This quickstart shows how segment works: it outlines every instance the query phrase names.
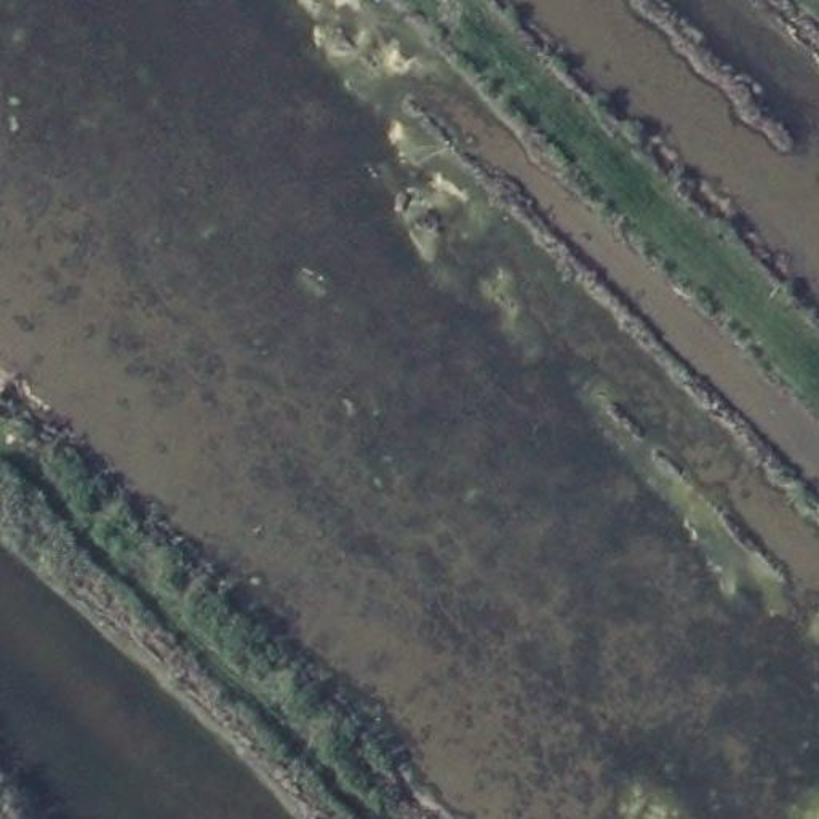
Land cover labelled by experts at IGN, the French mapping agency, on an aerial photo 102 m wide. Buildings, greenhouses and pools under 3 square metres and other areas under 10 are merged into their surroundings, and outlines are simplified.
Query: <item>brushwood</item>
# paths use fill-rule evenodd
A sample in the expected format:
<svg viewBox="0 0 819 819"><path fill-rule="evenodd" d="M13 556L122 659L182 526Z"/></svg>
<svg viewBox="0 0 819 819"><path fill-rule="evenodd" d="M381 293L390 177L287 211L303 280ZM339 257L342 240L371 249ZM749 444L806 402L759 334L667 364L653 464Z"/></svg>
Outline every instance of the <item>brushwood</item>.
<svg viewBox="0 0 819 819"><path fill-rule="evenodd" d="M787 19L793 19L800 32L819 48L819 0L761 0L784 10Z"/></svg>
<svg viewBox="0 0 819 819"><path fill-rule="evenodd" d="M304 646L294 627L298 614L272 589L250 585L240 566L224 563L214 547L205 547L186 528L173 525L166 505L157 496L134 493L122 473L109 470L99 451L67 435L70 419L61 419L48 410L42 413L42 400L35 397L35 390L13 374L6 378L6 371L0 368L0 541L10 544L22 566L38 566L42 576L58 592L64 592L67 605L83 621L90 621L102 640L109 640L118 653L138 662L214 739L227 745L240 739L243 749L237 752L237 758L256 771L256 777L272 790L272 797L291 819L432 819L429 813L435 809L435 800L429 793L413 797L406 781L400 777L400 768L406 768L413 758L413 736L394 723L387 701L378 697L371 688L355 685L346 672L336 672L323 656Z"/></svg>
<svg viewBox="0 0 819 819"><path fill-rule="evenodd" d="M669 256L656 253L653 243L637 253L659 278L672 285L672 291L697 317L720 330L720 336L739 352L739 358L758 378L771 381L771 362L765 349L755 342L745 323L723 314L723 304L713 291L681 275Z"/></svg>
<svg viewBox="0 0 819 819"><path fill-rule="evenodd" d="M777 467L771 451L758 445L749 425L729 416L726 406L717 403L701 387L701 381L694 381L675 362L675 355L662 349L656 336L633 314L627 314L624 304L579 259L573 259L569 250L557 237L550 237L537 218L531 218L528 208L521 208L521 195L512 182L502 182L480 163L464 163L464 173L489 195L489 205L505 211L515 224L521 224L537 243L537 250L544 250L553 259L560 275L566 282L576 282L595 304L601 304L608 317L617 323L617 330L627 333L643 349L643 355L653 365L659 365L701 413L707 413L710 422L717 422L739 441L749 464L755 464L803 518L819 525L819 505L784 467Z"/></svg>
<svg viewBox="0 0 819 819"><path fill-rule="evenodd" d="M662 173L656 166L649 173L649 186L672 202L685 195L678 176Z"/></svg>
<svg viewBox="0 0 819 819"><path fill-rule="evenodd" d="M614 425L621 435L633 432L633 425L624 416L617 416L608 384L595 384L589 403L598 410L598 416L605 416L608 425Z"/></svg>
<svg viewBox="0 0 819 819"><path fill-rule="evenodd" d="M630 0L643 19L665 32L672 48L685 54L701 77L707 77L729 96L739 118L768 134L777 150L790 144L787 131L768 122L752 106L745 86L726 67L713 64L701 51L701 32L694 26L675 19L653 0Z"/></svg>
<svg viewBox="0 0 819 819"><path fill-rule="evenodd" d="M454 42L454 26L438 16L438 10L406 10L406 19L422 35L422 42L445 58L445 64L493 109L493 115L502 125L509 125L518 134L528 157L547 166L550 176L566 192L573 192L576 202L582 202L598 224L605 224L614 237L627 240L630 221L617 211L614 198L605 195L598 182L582 170L576 150L560 134L544 128L541 115L518 96L499 102L496 93L502 93L502 77L496 77L489 86L480 83L480 70L486 70L489 64L477 51Z"/></svg>

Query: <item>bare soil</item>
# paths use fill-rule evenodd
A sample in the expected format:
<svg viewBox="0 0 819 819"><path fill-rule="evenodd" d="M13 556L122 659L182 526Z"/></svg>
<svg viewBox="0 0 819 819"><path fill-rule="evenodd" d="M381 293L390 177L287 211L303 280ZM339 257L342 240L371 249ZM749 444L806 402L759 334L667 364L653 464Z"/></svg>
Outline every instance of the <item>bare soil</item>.
<svg viewBox="0 0 819 819"><path fill-rule="evenodd" d="M314 45L330 61L355 61L358 54L365 54L365 45L371 38L368 29L358 29L355 42L346 45L336 32L314 29Z"/></svg>

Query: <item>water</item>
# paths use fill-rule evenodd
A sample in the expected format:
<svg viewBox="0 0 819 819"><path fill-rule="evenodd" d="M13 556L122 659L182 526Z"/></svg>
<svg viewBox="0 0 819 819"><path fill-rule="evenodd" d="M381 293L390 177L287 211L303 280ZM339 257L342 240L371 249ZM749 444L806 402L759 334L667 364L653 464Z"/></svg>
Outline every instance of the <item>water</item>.
<svg viewBox="0 0 819 819"><path fill-rule="evenodd" d="M109 470L122 473L134 493L157 496L166 505L173 525L186 528L205 547L214 547L224 563L240 566L250 585L272 589L298 614L294 627L304 646L323 656L336 672L346 672L355 685L371 688L378 697L387 701L394 723L413 736L413 758L406 768L400 768L400 777L406 781L413 797L429 793L435 800L435 809L429 813L432 819L819 819L819 525L803 518L755 464L749 464L739 441L717 422L710 422L707 413L701 413L659 365L653 365L643 355L643 349L627 333L617 330L617 323L608 317L601 304L595 304L576 282L566 282L560 275L553 259L544 250L537 250L537 243L521 224L515 224L505 211L489 205L489 195L464 173L464 163L480 163L502 182L512 182L521 195L521 208L528 208L531 218L537 218L550 237L557 237L569 250L573 259L579 259L624 304L627 314L633 314L656 336L662 349L675 355L675 362L694 381L701 381L701 387L717 403L726 406L729 416L749 425L758 445L771 451L777 467L784 467L819 505L819 425L800 406L793 406L771 381L758 378L739 358L739 352L720 336L720 330L697 317L672 291L672 285L659 278L637 253L627 240L614 237L605 224L598 224L582 202L576 202L573 192L566 192L550 176L547 166L528 157L518 134L509 125L502 125L493 115L493 109L445 64L445 58L422 42L422 35L406 19L406 10L406 0L0 0L0 368L6 371L6 378L13 374L35 390L35 397L42 400L42 413L48 410L61 419L70 419L67 435L99 451ZM355 61L330 61L314 45L314 29L336 32L346 45L355 42L358 29L368 29L371 38L365 45L365 54L358 54ZM605 416L598 416L598 410L589 403L595 384L608 384L617 416L624 416L633 425L633 432L621 435L614 425L608 425Z"/></svg>
<svg viewBox="0 0 819 819"><path fill-rule="evenodd" d="M685 54L672 48L665 32L643 19L630 0L493 0L496 6L515 16L521 35L537 51L563 64L573 86L598 99L614 122L624 122L637 131L643 154L656 166L662 173L678 176L685 195L707 218L723 221L736 234L739 246L749 256L755 256L771 278L784 282L797 307L809 310L819 323L819 48L800 32L793 19L787 19L784 10L761 0L653 0L675 19L694 26L701 32L701 51L713 64L726 67L745 86L752 106L768 122L787 131L790 144L777 150L768 134L739 118L729 96L707 77L701 77Z"/></svg>
<svg viewBox="0 0 819 819"><path fill-rule="evenodd" d="M118 653L109 640L102 640L90 621L83 621L67 605L64 592L58 592L42 576L38 566L22 566L10 544L0 541L0 819L291 819L272 797L272 790L256 777L256 771L237 758L237 752L243 749L240 739L227 745L214 739L138 662Z"/></svg>

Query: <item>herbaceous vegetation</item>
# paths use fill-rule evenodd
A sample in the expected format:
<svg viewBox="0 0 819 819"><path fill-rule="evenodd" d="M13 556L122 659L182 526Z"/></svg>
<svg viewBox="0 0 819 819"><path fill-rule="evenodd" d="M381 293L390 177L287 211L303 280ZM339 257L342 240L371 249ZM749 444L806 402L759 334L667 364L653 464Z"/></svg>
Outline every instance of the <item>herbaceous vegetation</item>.
<svg viewBox="0 0 819 819"><path fill-rule="evenodd" d="M406 10L438 10L438 16L454 26L454 42L477 51L489 64L486 70L480 70L480 83L489 86L496 77L502 77L502 93L496 93L499 102L518 96L541 115L544 128L560 134L576 150L582 170L598 182L605 195L614 198L617 211L630 221L627 240L637 253L653 243L656 253L669 256L681 275L713 291L723 304L723 314L745 323L755 342L765 349L771 362L771 381L793 406L800 406L819 425L819 323L809 310L797 307L784 282L771 278L755 256L749 256L739 246L736 234L723 221L707 218L685 195L672 202L649 186L649 173L656 166L643 154L637 131L624 122L614 122L598 99L573 86L563 64L537 51L521 35L515 16L496 6L493 0L406 0Z"/></svg>

